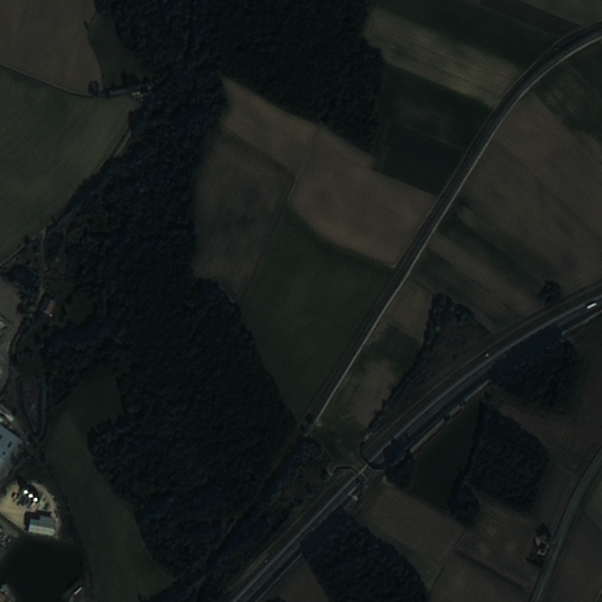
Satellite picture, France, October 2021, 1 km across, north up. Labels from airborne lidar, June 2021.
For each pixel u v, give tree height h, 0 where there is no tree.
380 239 0
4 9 0
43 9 0
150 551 19
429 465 0
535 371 20
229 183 0
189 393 18
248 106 0
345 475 0
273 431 26
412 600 23
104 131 0
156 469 26
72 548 0
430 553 0
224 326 25
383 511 0
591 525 0
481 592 0
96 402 0
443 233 0
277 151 0
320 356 0
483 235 0
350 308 0
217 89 21
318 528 0
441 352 0
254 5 24
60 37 0
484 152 0
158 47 27
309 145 0
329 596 18
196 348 25
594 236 0
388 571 21
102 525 0
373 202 0
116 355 24
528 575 0
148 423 21
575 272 0
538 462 18
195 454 12
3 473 0
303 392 0
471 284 0
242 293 0
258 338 0
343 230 0
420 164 0
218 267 0
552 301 6
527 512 6
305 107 22
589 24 0
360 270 0
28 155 0
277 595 0
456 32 0
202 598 19
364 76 21
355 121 22
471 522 17
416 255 0
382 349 0
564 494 0
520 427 0
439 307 11
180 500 24
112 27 0
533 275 0
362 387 0
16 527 0
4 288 0
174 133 25
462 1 0
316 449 10
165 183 22
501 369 0
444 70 0
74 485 0
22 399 0
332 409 0
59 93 0
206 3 21
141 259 28
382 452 0
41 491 0
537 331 0
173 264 28
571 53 0
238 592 0
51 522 0
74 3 0
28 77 0
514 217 0
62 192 0
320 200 0
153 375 23
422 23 0
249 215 0
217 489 22
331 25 23
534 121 0
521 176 0
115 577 0
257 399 22
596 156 0
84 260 21
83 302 0
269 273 0
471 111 0
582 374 0
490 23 0
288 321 0
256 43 22
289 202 0
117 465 25
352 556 23
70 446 0
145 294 26
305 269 0
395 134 0
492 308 0
